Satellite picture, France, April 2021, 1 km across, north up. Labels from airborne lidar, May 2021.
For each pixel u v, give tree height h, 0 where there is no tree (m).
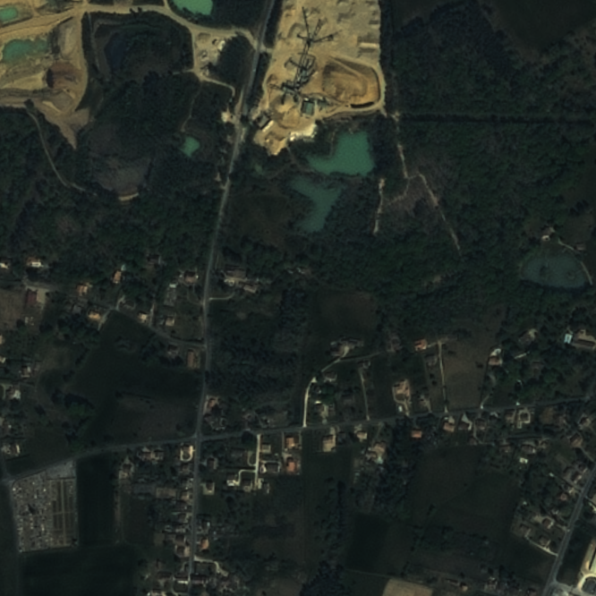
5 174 26
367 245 17
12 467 0
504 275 23
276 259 16
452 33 24
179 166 19
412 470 8
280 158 10
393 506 14
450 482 0
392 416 0
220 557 6
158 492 0
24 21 0
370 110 0
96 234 16
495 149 16
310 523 0
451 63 11
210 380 18
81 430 13
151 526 6
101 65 0
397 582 0
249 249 18
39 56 0
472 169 19
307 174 7
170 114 7
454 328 10
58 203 13
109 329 0
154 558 0
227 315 6
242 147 11
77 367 8
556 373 17
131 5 0
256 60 0
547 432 11
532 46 0
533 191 22
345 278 18
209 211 13
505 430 8
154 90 19
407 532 0
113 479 10
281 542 0
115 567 0
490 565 0
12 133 19
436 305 21
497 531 0
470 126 17
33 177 22
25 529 0
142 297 14
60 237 15
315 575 0
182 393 0
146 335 0
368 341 0
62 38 0
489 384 7
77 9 0
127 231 16
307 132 0
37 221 18
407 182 10
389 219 12
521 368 10
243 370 11
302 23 0
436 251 19
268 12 0
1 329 0
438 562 0
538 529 9
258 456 0
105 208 16
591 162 0
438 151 11
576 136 24
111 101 10
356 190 6
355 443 18
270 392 27
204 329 0
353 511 0
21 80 0
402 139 14
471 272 24
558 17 0
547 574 0
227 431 7
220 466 9
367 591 0
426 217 10
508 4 0
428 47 25
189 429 8
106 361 0
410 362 15
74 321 13
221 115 15
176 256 14
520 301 17
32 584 0
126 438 0
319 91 0
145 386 0
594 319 11
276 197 0
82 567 0
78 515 0
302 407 0
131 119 14
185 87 9
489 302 15
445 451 0
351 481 0
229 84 14
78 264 17
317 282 8
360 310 0
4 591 0
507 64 17
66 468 0
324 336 0
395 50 13
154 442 0
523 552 0
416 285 20
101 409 0
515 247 23
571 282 0
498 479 0
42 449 0
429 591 0
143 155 9
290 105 0
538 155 23
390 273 20
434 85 15
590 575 0
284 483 15
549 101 17
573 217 9
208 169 13
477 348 0
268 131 0
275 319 0
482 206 21
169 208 18
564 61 14
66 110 0
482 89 12
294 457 0
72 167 12
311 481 0
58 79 0
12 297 0
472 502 0
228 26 16
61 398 17
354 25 0
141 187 0
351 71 0
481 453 0
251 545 0
